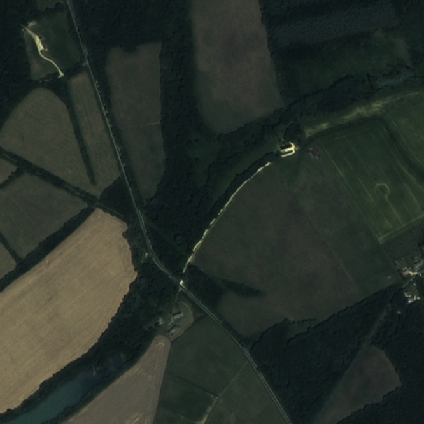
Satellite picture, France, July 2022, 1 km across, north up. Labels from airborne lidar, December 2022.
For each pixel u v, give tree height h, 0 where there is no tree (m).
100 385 8
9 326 0
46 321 0
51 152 0
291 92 8
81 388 0
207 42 0
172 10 9
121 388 0
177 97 7
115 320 14
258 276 0
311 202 0
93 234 0
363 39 7
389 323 7
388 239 0
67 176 0
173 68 6
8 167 0
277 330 16
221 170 14
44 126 0
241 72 0
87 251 0
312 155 0
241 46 0
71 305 0
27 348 0
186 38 18
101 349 17
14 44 22
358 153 0
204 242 0
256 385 0
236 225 0
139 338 13
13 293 0
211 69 0
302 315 0
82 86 0
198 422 0
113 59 0
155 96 0
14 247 0
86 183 0
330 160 0
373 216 0
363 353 0
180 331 0
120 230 0
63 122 0
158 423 0
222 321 5
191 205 19
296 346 19
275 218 0
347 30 23
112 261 0
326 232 0
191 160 9
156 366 0
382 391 0
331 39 20
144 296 15
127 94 0
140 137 0
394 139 8
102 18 24
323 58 7
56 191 0
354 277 0
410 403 18
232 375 0
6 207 0
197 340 0
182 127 8
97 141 0
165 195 20
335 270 0
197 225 16
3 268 0
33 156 0
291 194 0
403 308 20
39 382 0
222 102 0
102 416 0
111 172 0
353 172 0
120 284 0
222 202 11
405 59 0
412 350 15
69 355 0
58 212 0
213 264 0
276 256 0
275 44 18
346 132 0
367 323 12
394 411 16
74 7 6
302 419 15
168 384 0
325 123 0
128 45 17
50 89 7
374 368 0
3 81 31
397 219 0
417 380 19
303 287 0
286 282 0
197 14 0
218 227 0
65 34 0
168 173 13
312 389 17
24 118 0
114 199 9
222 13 0
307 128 0
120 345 14
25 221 0
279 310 0
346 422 15
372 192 0
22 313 0
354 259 0
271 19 17
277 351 17
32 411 0
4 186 7
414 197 0
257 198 0
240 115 0
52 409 0
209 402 0
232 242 0
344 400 0
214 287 13
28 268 10
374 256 0
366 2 22
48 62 0
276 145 0
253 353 16
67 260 0
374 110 0
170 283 7
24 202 0
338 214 0
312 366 21
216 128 0
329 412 0
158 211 16
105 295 0
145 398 0
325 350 24
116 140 9
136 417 0
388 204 0
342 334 23
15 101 15
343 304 0
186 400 0
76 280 0
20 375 0
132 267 0
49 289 0
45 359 0
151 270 6
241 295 8
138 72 0
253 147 14
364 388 0
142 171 0
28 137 0
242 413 0
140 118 0
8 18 19
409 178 0
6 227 0
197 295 7
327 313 0
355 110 0
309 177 0
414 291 0
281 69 9
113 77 0
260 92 0
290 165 0
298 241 0
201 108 0
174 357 0
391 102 0
